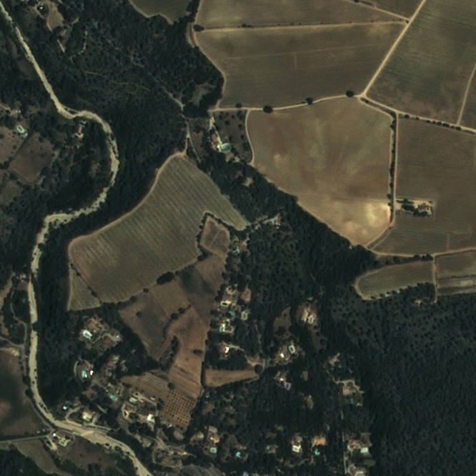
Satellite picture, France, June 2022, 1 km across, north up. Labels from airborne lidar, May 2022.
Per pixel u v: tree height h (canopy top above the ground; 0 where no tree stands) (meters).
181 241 0
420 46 0
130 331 16
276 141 0
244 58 0
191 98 10
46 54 6
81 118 13
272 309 16
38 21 12
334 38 0
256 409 17
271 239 17
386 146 0
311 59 0
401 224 0
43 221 13
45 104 27
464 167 0
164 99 8
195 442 7
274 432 10
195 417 18
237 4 0
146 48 21
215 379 0
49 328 14
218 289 0
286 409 14
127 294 0
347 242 9
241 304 8
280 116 0
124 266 0
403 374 16
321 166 0
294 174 0
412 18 0
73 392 15
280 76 0
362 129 0
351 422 9
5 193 0
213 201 0
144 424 7
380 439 18
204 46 0
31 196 18
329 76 0
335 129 0
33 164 0
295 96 0
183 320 0
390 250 0
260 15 0
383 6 0
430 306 14
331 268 10
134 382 0
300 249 16
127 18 7
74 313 18
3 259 9
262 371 20
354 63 0
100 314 9
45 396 9
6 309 8
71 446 0
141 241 0
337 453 15
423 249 0
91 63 16
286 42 0
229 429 6
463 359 16
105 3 17
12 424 0
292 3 0
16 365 0
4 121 17
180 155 0
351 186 0
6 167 8
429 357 15
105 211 7
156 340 0
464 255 0
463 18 0
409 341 16
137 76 7
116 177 9
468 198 0
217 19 0
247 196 15
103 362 13
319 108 0
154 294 0
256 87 0
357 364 10
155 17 7
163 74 9
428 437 18
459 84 0
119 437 7
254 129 0
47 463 0
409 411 17
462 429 21
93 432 0
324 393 16
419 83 0
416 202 0
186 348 0
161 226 0
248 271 22
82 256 0
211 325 7
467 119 0
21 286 0
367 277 0
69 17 14
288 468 9
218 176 17
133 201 12
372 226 0
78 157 12
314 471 16
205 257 8
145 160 6
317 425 13
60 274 6
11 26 12
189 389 0
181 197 0
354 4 0
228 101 0
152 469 9
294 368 12
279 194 17
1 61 21
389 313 16
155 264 0
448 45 0
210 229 0
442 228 0
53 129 24
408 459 13
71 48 14
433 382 14
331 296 10
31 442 0
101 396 19
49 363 19
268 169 0
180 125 7
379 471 15
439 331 18
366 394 13
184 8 0
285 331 12
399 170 0
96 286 0
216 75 13
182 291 0
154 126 6
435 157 0
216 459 7
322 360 17
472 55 0
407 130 0
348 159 0
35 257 0
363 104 0
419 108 0
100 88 16
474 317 18
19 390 0
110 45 21
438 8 0
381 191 0
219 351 14
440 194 0
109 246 0
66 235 7
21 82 7
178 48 11
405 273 0
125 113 11
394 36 0
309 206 0
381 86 0
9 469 26
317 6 0
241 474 11
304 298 13
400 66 0
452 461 8
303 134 0
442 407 20
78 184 15
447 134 0
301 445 7
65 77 12
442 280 0
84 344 11
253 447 14
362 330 12
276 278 21
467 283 0
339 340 9
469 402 11
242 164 10
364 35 0
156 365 10
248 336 7
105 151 5
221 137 0
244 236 11
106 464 0
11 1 7
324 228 9
